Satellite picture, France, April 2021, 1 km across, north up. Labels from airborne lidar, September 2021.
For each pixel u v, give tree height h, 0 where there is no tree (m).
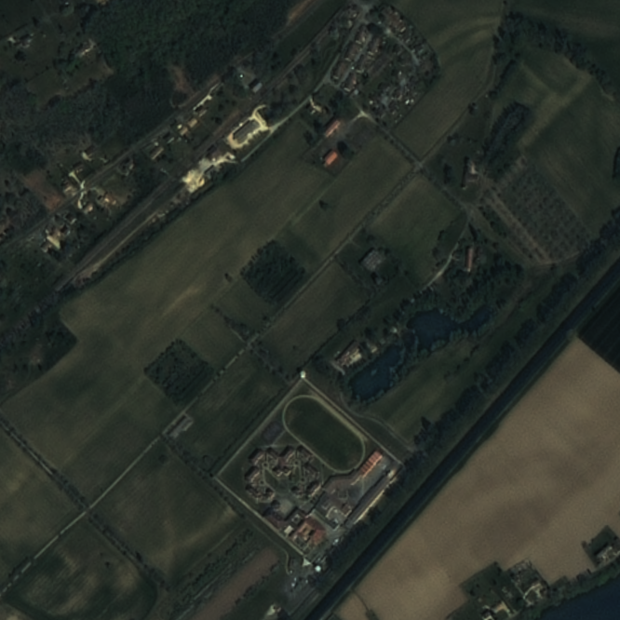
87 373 0
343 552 0
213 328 0
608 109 0
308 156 0
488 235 0
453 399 0
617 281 0
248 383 0
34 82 0
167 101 14
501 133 24
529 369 0
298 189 0
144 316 0
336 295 0
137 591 0
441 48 0
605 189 0
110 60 20
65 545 0
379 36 10
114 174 0
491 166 15
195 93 12
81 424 0
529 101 0
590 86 0
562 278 0
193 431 0
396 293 0
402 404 0
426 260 0
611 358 0
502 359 0
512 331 0
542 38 22
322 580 0
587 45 0
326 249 0
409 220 0
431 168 0
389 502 0
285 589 0
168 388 9
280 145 0
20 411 0
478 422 0
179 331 0
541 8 0
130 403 0
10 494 0
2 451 0
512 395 0
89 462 0
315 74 0
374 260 0
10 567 0
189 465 10
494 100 13
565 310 0
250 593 7
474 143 11
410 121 0
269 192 0
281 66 15
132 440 0
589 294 0
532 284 0
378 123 7
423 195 0
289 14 21
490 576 0
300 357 0
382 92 7
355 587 0
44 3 0
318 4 0
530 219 15
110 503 0
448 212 0
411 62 10
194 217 0
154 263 0
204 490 0
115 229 0
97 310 0
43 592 0
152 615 0
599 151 0
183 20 23
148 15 28
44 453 0
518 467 0
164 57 14
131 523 0
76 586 0
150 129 13
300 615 0
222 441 0
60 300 18
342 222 0
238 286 0
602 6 0
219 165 0
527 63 0
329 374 18
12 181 10
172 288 0
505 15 0
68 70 12
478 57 0
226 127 0
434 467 0
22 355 0
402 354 18
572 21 0
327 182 0
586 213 0
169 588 11
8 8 0
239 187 0
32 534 0
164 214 0
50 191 0
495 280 21
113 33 27
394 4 0
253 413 0
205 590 6
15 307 8
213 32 21
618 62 0
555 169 0
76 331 0
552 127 0
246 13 19
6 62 0
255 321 0
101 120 23
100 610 0
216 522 0
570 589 13
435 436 27
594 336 0
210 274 0
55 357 0
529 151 0
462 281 11
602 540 0
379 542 0
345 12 9
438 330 0
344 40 13
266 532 0
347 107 24
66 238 6
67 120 18
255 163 0
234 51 24
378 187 0
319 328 0
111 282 0
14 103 22
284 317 0
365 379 0
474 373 0
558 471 0
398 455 0
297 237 0
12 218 13
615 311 0
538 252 10
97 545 0
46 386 0
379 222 0
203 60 23
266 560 0
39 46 0
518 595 0
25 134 17
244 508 0
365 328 21
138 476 0
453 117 0
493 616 12
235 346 0
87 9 12
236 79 18
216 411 0
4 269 19
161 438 9
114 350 0
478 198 0
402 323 23
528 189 12
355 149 0
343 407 0
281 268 6
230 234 0
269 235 0
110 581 0
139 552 0
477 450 0
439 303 25
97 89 22
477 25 0
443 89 0
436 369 0
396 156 0
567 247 11
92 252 0
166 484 0
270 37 21
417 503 0
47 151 10
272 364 17
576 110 0
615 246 0
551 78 0
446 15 0
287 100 17
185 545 0
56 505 0
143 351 0
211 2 19
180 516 0
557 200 11
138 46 26
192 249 0
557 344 0
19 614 0
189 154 0
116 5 22
